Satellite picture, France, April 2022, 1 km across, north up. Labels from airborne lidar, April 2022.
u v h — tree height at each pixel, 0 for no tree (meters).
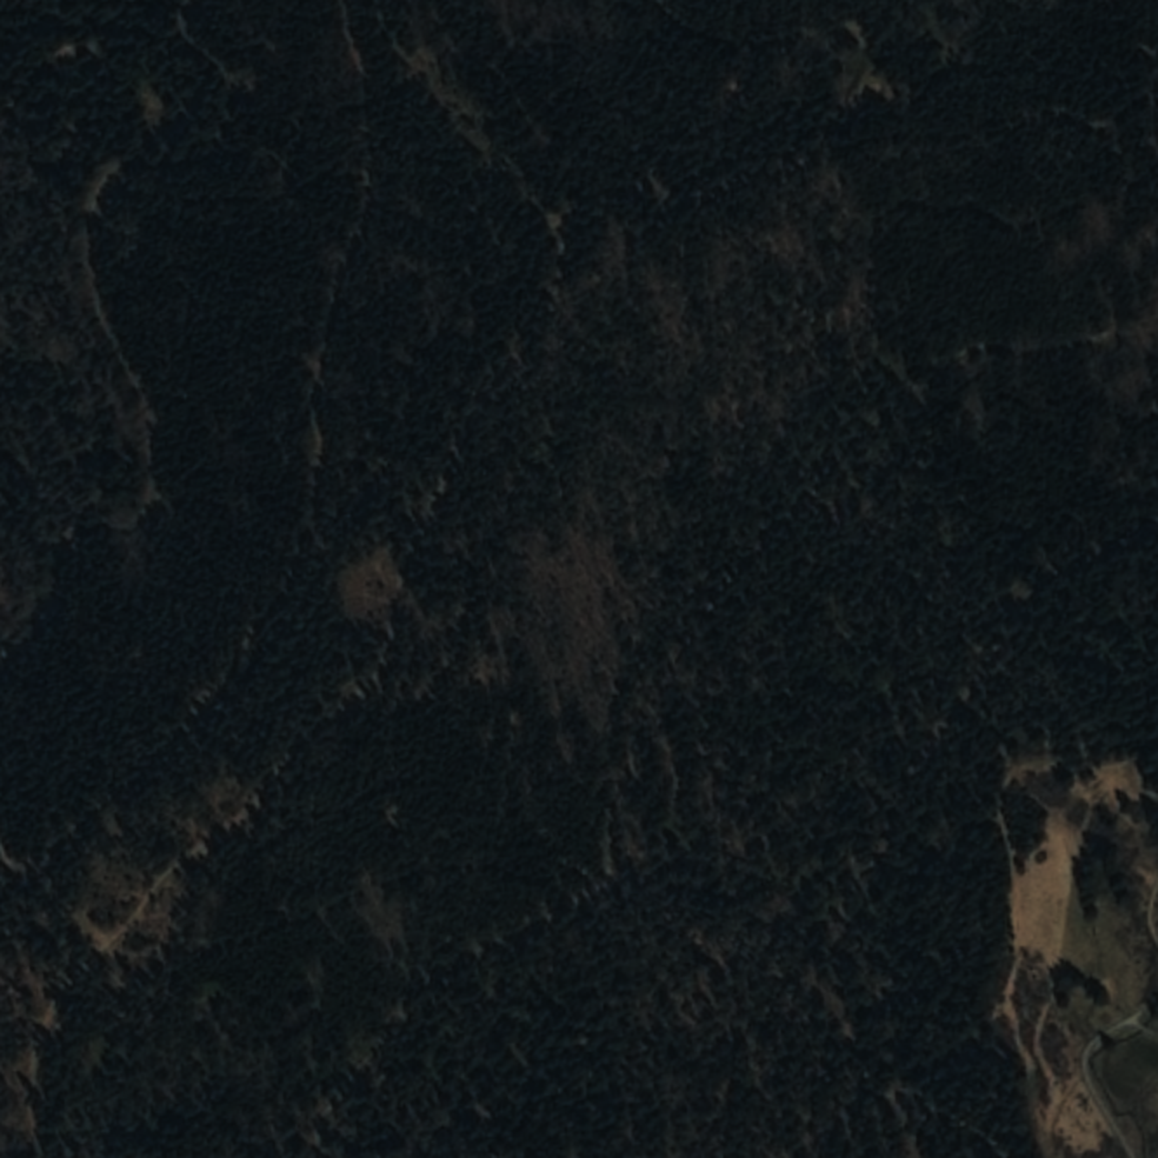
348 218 20
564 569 28
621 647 27
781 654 30
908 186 25
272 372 18
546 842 14
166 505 13
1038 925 0
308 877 23
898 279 19
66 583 20
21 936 24
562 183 23
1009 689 28
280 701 23
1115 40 22
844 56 10
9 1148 25
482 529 33
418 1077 31
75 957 6
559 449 24
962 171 16
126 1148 34
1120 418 19
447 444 28
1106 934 0
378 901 17
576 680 27
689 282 28
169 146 11
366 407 26
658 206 29
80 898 25
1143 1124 0
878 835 32
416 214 12
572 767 20
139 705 23
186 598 24
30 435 33
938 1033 35
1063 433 16
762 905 25
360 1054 11
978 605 34
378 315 21
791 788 31
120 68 21
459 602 29
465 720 21
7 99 17
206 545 17
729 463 25
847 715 36
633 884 33
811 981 28
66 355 30
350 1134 23
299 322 19
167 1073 23
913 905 31
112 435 33
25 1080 0
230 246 21
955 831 24
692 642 16
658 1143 27
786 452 32
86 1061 24
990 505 22
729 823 29
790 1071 31
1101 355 21
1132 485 17
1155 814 28
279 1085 20
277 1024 19
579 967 30
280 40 22
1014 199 19
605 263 24
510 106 18
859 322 26
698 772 36
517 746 12
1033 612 14
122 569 23
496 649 29
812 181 29
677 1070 32
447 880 22
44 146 35
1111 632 30
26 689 26
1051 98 17
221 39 23
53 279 26
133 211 26
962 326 22
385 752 21
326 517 22
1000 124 23
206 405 20
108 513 14
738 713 17
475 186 11
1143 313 16
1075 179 14
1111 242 16
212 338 23
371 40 17
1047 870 0
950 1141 34
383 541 25
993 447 18
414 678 12
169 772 23
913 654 34
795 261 23
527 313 26
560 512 32
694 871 38
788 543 33
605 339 23
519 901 20
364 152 13
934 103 18
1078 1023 0
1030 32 23
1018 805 13
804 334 31
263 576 21
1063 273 18
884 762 31
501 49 17
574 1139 18
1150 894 0
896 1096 0
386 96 21
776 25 22
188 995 21
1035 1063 0
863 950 33
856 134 23
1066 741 28
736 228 24
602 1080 43
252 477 19
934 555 28
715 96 26
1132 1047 0
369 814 23
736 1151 30
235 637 23
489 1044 18
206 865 9
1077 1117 0
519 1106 12
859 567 34
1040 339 14
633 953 32
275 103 21
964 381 28
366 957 19
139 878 7
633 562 29
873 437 30
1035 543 20
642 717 34
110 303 23
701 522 32
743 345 28
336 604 30
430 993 37
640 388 26
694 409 30
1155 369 21
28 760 27
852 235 26
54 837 20
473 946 16
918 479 33
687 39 25
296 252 26
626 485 23
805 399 24
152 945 10
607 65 20
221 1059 17
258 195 16
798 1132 31
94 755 20
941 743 10
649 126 23
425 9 20
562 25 13
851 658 26
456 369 23
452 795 23
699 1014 9
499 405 28
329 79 25
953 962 32
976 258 19
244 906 18
